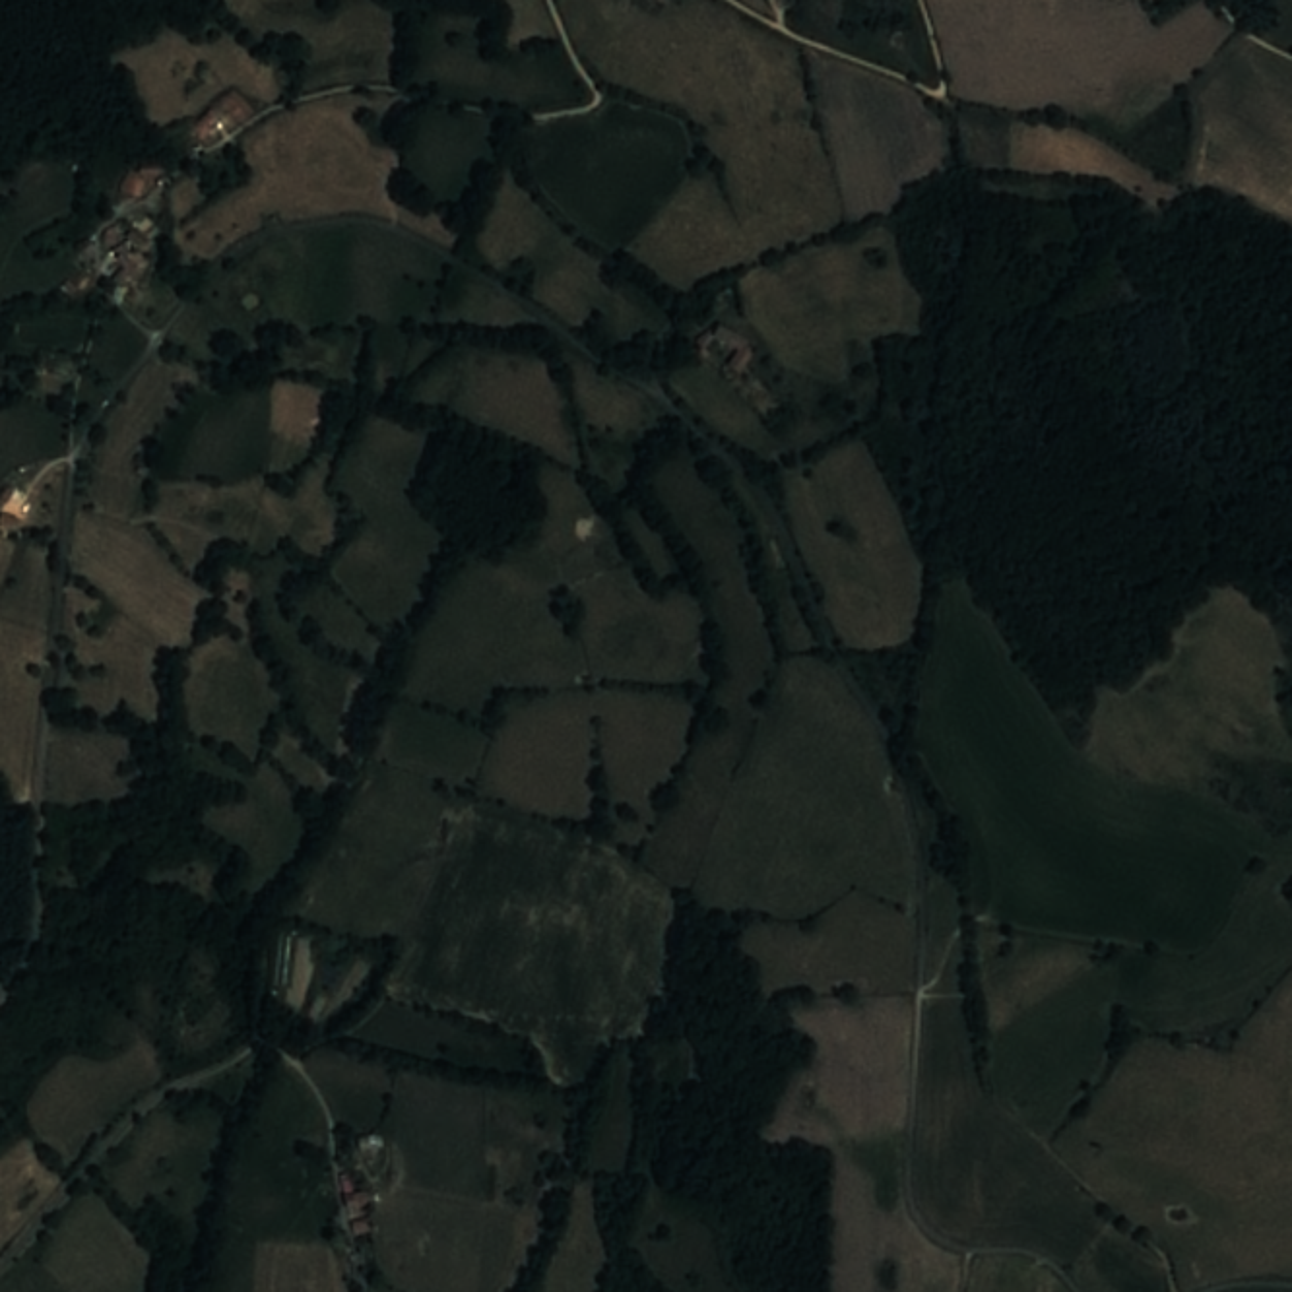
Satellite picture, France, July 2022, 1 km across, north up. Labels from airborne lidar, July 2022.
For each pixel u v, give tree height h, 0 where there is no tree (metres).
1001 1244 0
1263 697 0
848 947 0
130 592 0
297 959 0
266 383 21
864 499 0
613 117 0
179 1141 0
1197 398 14
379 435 0
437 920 0
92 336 12
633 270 14
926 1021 0
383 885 0
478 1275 0
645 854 10
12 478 0
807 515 0
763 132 0
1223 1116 0
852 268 0
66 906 11
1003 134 0
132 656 0
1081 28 0
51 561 10
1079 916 0
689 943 24
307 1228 0
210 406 0
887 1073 0
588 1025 0
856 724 0
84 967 22
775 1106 14
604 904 0
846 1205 0
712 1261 0
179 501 0
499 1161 0
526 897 0
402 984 0
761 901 0
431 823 0
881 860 0
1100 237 12
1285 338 16
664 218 0
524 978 0
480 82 0
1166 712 0
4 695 0
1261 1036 0
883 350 17
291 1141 0
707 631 12
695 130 8
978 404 16
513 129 16
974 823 0
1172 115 0
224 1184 30
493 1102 0
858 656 8
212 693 0
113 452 0
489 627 0
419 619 15
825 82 0
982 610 10
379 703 27
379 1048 7
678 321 22
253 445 0
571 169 0
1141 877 0
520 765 0
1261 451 7
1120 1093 0
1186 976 0
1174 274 8
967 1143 0
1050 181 8
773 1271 9
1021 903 0
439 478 22
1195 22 0
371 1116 0
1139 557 22
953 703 0
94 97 16
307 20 0
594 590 0
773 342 0
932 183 6
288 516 0
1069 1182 0
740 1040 19
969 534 16
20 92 22
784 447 0
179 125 8
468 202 15
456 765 0
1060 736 0
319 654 25
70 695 13
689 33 0
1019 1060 0
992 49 0
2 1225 0
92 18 18
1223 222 10
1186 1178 0
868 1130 0
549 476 0
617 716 0
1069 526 15
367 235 0
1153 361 11
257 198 0
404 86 13
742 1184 8
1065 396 19
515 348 20
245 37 16
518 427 0
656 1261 0
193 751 6
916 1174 0
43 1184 0
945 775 0
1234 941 0
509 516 24
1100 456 26
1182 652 0
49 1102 0
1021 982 0
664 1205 0
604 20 0
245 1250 0
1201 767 0
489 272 10
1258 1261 0
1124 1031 12
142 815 18
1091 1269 0
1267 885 0
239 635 9
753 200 0
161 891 16
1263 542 22
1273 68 0
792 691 0
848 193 0
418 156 0
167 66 0
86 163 10
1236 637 0
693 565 16
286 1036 11
